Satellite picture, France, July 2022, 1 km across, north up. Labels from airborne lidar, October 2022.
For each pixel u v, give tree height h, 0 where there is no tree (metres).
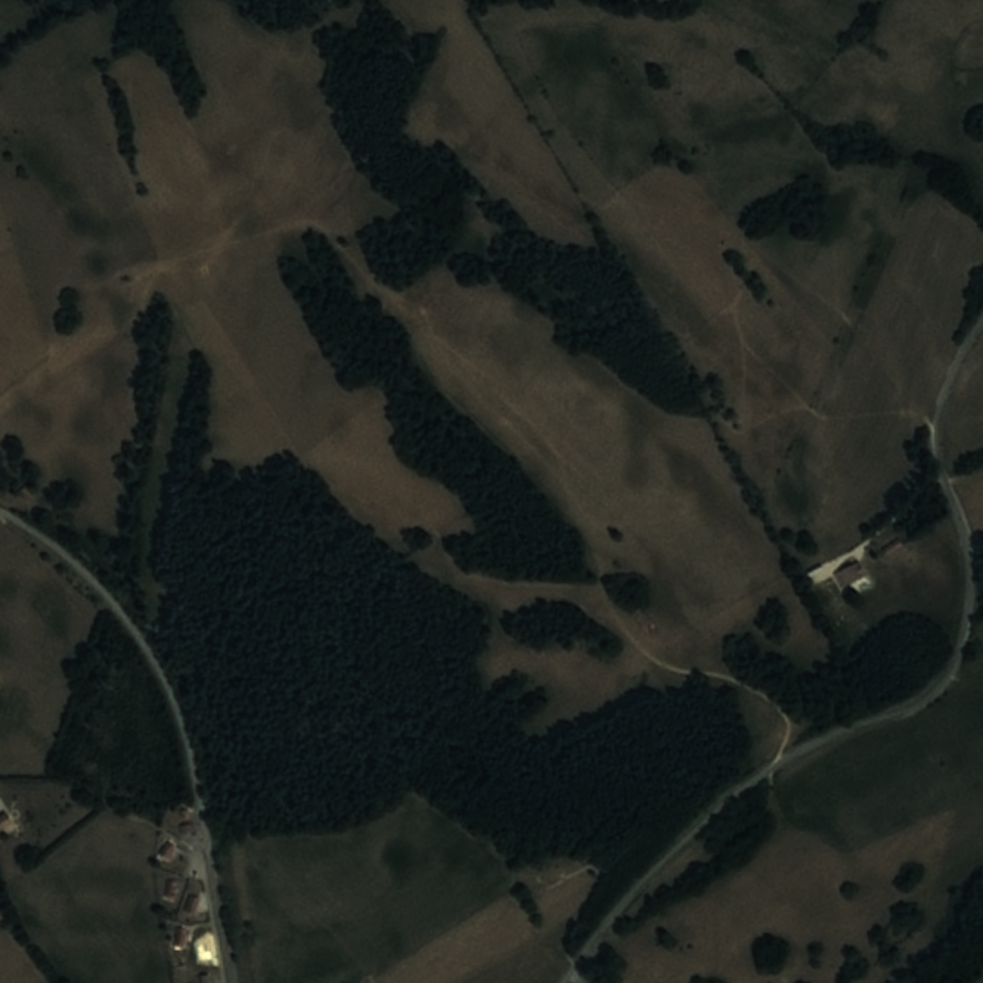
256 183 0
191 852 0
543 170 0
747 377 0
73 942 0
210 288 0
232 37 0
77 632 0
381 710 27
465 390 0
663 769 17
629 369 16
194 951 0
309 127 0
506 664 0
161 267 0
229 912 11
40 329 0
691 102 0
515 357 0
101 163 0
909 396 0
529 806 25
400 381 19
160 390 22
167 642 28
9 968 0
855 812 0
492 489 18
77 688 10
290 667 35
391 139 18
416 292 0
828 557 0
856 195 0
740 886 0
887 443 0
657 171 0
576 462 0
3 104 0
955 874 0
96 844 0
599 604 0
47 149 0
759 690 15
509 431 0
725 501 0
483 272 17
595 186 0
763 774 0
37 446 0
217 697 30
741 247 0
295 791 30
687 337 0
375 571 30
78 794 17
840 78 0
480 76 0
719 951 0
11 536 0
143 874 0
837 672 20
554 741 16
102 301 0
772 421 0
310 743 10
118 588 7
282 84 0
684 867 0
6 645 0
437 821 0
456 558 7
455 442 21
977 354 0
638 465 0
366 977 0
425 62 12
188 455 25
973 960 30
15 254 0
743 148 0
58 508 16
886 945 10
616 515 0
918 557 0
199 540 26
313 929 0
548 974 0
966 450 0
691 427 0
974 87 0
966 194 9
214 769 8
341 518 29
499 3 20
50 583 0
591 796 24
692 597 0
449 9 0
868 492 0
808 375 0
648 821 15
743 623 0
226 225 0
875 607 0
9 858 0
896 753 0
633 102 0
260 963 0
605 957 16
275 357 0
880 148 11
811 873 0
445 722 25
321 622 32
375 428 0
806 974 0
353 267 0
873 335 0
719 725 14
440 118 0
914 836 0
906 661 12
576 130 0
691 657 0
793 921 0
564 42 0
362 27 14
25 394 0
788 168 0
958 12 0
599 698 0
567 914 0
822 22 0
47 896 0
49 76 0
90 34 0
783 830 0
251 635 31
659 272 0
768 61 0
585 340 11
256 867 0
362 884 0
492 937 0
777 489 0
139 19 19
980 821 0
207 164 0
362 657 31
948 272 0
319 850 0
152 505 0
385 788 25
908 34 0
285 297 0
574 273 17
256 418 0
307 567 30
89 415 0
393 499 0
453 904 0
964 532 0
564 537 17
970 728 0
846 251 0
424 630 33
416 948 0
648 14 15
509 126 0
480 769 19
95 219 0
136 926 0
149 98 0
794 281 0
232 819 14
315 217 0
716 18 0
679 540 0
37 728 0
